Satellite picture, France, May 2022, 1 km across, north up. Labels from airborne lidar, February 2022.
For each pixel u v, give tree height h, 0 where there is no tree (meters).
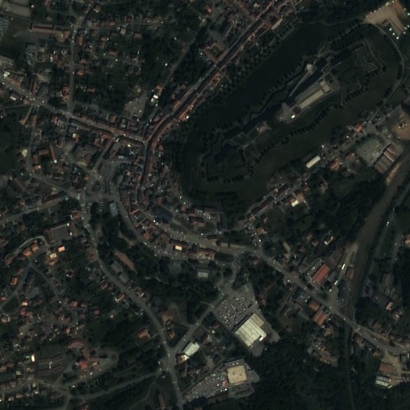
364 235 0
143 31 0
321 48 0
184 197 0
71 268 0
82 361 0
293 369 9
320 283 0
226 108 0
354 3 6
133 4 8
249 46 0
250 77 0
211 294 18
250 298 0
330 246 12
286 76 9
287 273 0
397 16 0
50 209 0
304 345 6
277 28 0
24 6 0
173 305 0
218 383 0
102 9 0
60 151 0
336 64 21
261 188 0
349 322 0
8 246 9
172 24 6
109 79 9
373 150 0
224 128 8
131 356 16
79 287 10
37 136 0
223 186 0
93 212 11
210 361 0
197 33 0
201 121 0
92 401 0
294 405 19
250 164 0
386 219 0
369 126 0
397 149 0
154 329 0
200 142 0
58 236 0
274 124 0
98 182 0
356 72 27
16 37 0
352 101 0
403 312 0
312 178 11
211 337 0
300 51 0
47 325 0
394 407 14
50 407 0
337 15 23
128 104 0
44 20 0
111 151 0
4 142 0
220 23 0
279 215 0
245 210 11
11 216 0
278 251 0
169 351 0
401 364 0
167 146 18
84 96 6
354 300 0
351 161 0
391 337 7
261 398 17
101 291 0
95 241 0
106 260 16
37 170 0
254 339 0
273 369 9
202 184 0
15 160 0
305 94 0
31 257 0
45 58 0
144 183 0
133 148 0
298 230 7
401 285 0
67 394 0
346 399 18
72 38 0
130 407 0
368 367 0
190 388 0
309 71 0
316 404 6
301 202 0
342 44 0
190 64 11
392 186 0
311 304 0
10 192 0
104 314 0
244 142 0
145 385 0
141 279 11
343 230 21
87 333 0
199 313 13
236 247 0
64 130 0
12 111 0
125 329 17
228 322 0
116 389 0
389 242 0
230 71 9
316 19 15
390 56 0
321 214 16
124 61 0
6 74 0
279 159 0
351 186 0
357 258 0
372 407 8
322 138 0
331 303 0
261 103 7
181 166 16
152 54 19
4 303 0
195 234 0
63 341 12
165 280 0
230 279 0
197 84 0
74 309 0
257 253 0
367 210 6
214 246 0
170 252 0
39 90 0
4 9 0
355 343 8
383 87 0
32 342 0
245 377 0
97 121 0
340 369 16
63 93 0
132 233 16
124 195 0
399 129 0
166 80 0
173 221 0
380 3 19
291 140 0
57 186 0
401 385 8
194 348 0
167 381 0
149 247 0
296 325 0
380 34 0
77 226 9
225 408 0
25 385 0
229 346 0
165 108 0
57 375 0
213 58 0
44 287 8
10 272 0
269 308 16
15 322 0
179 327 0
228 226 9
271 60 0
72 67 0
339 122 0
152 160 0
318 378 20
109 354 0
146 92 0
